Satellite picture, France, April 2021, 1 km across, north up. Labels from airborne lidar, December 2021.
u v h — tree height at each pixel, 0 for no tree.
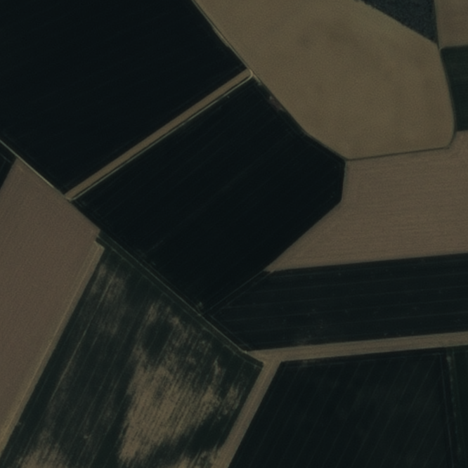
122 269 0
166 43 0
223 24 0
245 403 0
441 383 0
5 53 0
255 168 0
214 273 0
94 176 0
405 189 0
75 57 0
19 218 0
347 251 0
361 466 0
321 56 0
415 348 0
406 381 0
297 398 0
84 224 0
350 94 0
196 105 0
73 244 0
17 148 0
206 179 0
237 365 0
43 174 0
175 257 0
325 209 0
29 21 0
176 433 0
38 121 0
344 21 0
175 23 0
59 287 0
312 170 0
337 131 0
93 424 0
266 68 0
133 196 0
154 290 0
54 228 0
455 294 0
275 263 0
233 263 0
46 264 0
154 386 0
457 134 0
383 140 0
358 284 0
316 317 0
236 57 0
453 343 0
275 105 0
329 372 0
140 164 0
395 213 0
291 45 0
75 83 0
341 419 0
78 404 0
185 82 0
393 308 0
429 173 0
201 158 0
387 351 0
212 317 0
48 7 0
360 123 0
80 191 0
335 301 0
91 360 0
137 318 0
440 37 0
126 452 0
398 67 0
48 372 0
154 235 0
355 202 0
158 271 0
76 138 0
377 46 0
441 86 0
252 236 0
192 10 0
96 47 0
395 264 0
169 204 0
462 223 0
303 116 0
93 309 0
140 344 0
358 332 0
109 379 0
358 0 13
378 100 0
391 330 0
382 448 0
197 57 0
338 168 0
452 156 0
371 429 0
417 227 0
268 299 0
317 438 0
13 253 0
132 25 0
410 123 0
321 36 0
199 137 0
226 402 0
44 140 0
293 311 0
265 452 0
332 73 0
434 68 0
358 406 0
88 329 0
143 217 0
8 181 0
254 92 0
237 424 0
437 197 0
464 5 0
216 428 0
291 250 0
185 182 0
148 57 0
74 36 0
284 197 0
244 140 0
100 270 0
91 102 0
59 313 0
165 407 0
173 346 0
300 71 0
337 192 0
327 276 0
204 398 0
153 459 0
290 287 0
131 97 0
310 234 0
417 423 0
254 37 0
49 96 0
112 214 0
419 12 20
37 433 0
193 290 0
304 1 0
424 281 0
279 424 0
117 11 0
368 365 0
